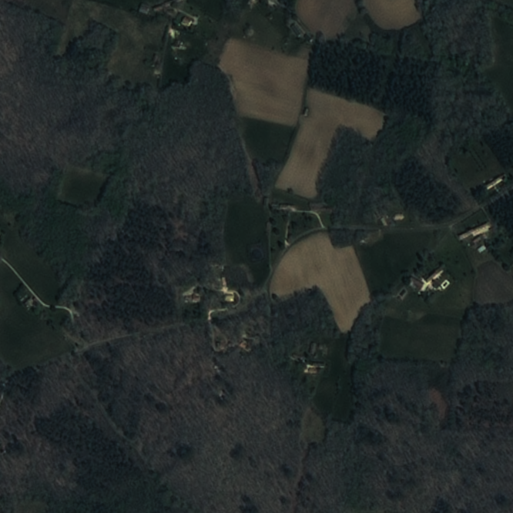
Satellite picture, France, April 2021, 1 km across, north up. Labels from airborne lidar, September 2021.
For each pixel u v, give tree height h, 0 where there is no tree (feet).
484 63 79
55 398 52
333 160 54
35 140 54
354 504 62
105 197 65
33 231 64
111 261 70
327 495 50
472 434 59
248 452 49
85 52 42
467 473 59
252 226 0
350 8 0
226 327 63
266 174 49
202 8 0
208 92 61
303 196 0
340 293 0
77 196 0
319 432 0
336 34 0
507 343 48
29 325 0
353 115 0
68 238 72
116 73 0
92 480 58
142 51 0
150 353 61
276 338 63
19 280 0
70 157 51
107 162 84
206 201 74
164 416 96
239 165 70
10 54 54
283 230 0
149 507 71
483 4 63
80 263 56
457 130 26
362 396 72
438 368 42
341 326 0
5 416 47
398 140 56
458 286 0
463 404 81
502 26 0
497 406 28
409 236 0
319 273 0
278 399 65
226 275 38
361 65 71
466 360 63
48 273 0
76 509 57
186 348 64
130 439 40
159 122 56
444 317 0
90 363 82
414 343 0
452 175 46
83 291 42
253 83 0
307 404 56
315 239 0
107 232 76
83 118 52
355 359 74
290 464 43
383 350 0
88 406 37
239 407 54
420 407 75
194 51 0
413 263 0
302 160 0
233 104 53
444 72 71
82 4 0
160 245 65
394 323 0
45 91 54
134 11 21
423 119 71
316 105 0
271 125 0
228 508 60
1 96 38
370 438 58
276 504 59
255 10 0
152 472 52
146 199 75
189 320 59
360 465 76
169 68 0
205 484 47
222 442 68
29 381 72
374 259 0
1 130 47
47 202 61
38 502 69
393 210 73
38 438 58
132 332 42
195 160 57
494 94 58
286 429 53
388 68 25
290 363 62
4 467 72
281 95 0
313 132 0
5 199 75
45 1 0
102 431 43
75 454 52
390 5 0
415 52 50
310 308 67
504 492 48
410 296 0
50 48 71
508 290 0
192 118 55
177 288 53
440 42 58
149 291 45
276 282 0
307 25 0
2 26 50
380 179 63
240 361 48
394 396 60
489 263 0
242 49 0
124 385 57
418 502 73
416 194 76
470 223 0
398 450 46
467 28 31
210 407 53
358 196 58
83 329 65
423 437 61
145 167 71
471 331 70
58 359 0
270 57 0
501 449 70
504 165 64
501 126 70
